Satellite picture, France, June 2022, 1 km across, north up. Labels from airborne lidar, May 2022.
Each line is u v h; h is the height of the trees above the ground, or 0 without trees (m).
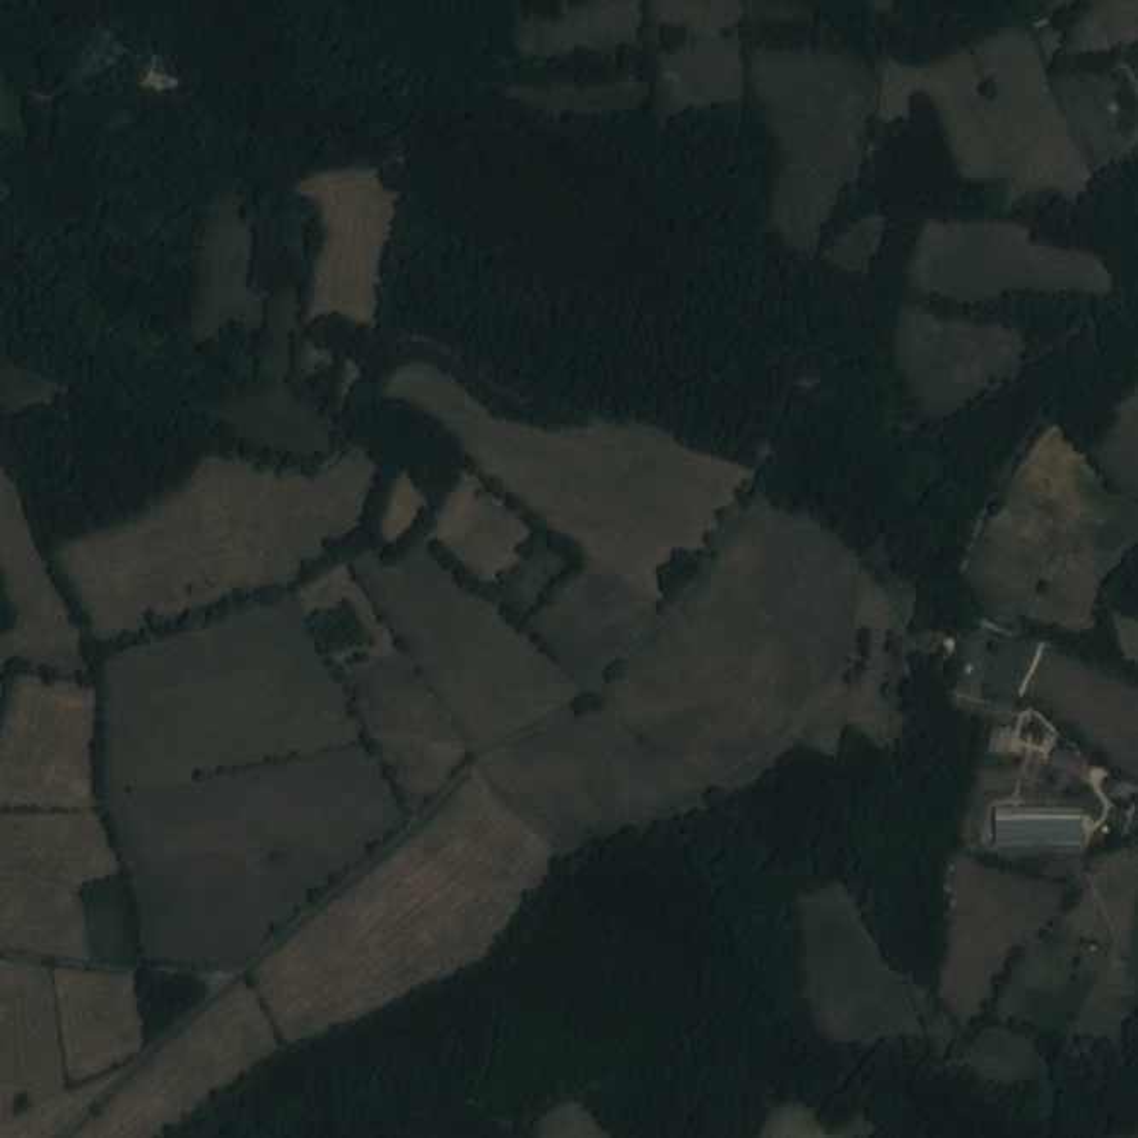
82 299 13
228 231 0
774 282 11
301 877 0
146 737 0
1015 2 12
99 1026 0
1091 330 16
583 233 11
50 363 16
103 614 0
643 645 0
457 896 0
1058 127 0
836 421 10
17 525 0
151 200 14
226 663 0
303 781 0
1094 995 0
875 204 15
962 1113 13
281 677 0
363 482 0
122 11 16
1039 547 0
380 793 0
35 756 0
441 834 0
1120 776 8
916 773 11
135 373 16
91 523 10
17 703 0
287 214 18
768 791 10
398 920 0
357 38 14
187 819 0
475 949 0
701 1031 11
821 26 12
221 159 21
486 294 11
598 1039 9
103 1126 0
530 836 0
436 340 13
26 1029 0
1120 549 0
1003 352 0
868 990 0
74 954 0
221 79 6
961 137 0
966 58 0
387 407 21
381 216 0
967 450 18
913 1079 18
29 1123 0
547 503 0
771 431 14
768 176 20
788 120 0
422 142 11
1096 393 20
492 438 0
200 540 0
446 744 0
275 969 0
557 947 8
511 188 7
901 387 13
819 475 16
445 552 14
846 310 19
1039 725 10
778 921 21
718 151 11
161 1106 0
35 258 9
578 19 0
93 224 7
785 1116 0
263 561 0
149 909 0
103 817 7
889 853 16
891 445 20
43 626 0
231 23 8
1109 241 16
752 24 12
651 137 20
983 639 0
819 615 0
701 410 14
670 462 0
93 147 17
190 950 0
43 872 0
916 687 18
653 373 17
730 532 0
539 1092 10
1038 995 0
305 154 6
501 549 0
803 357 14
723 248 17
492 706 0
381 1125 13
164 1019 17
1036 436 8
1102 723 0
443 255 14
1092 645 15
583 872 16
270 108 19
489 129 10
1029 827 0
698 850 21
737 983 9
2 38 18
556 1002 7
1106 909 0
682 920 7
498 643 0
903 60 13
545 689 0
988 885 0
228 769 6
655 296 8
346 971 0
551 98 0
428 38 18
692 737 0
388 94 23
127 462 15
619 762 0
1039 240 15
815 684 0
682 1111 9
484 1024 12
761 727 0
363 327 10
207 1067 0
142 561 0
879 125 13
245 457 17
